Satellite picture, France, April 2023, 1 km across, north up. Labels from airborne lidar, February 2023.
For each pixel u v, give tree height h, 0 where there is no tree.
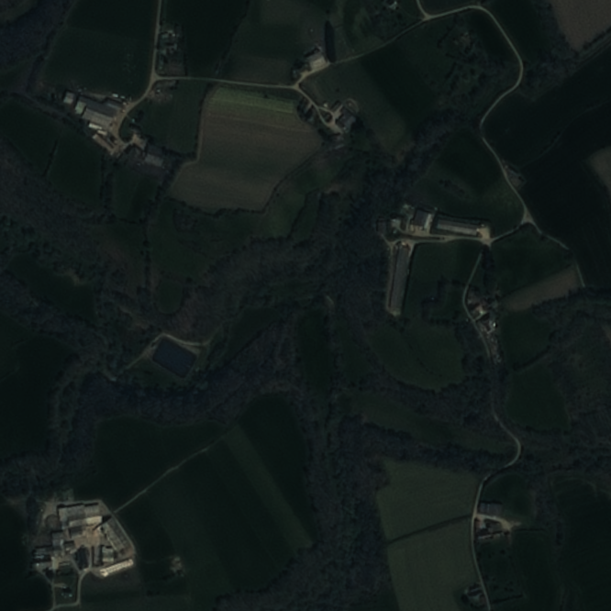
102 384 19
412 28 0
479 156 0
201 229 0
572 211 0
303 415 21
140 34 0
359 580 12
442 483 0
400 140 0
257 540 0
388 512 0
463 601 10
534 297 0
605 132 0
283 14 0
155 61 0
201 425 0
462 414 18
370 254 18
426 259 0
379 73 0
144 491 0
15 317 20
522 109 0
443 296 10
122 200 0
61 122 7
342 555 10
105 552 0
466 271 0
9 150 9
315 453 20
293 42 0
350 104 0
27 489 17
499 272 0
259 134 0
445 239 0
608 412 12
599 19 0
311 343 0
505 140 0
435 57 0
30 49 16
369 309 11
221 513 0
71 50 0
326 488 21
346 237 23
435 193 0
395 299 0
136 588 0
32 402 0
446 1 0
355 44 0
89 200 0
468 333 17
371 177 16
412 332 0
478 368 8
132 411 16
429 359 0
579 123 0
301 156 0
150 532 0
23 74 0
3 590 0
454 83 12
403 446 14
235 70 0
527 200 0
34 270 0
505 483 0
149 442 0
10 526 0
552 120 0
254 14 0
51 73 0
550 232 0
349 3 0
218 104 0
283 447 0
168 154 11
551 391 0
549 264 0
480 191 0
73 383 8
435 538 0
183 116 0
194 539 0
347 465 18
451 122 19
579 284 0
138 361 0
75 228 12
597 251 0
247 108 0
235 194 0
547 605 0
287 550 0
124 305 17
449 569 0
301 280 12
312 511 13
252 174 0
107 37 0
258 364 7
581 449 8
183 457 0
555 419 0
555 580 0
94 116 0
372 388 15
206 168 0
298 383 13
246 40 0
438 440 0
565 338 13
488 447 0
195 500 0
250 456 0
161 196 10
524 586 0
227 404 15
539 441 15
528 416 0
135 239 0
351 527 10
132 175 0
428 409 15
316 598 8
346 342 0
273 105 0
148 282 8
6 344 0
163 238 0
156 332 10
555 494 0
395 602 0
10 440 0
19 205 16
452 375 0
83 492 0
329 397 11
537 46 0
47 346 0
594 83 0
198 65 0
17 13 0
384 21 6
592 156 0
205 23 0
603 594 0
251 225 0
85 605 0
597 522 0
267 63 0
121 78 0
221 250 0
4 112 0
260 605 12
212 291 10
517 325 0
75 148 0
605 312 15
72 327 14
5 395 0
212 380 18
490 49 0
